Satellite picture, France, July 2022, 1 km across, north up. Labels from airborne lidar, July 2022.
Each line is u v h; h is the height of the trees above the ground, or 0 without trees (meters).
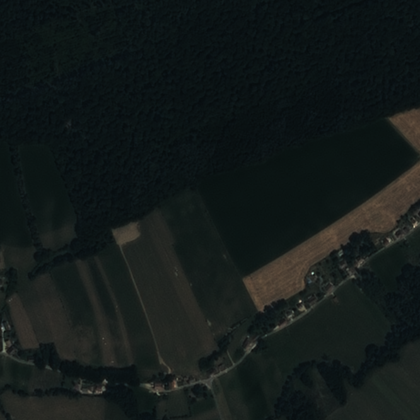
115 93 26
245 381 0
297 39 24
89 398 0
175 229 0
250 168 0
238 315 0
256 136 20
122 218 23
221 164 16
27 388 0
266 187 0
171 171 23
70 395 23
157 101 31
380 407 0
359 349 0
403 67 19
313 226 0
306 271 0
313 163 0
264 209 0
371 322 0
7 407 0
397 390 0
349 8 20
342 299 0
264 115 21
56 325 0
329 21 25
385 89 26
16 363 0
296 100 18
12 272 19
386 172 0
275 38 24
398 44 29
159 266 0
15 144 18
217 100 27
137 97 22
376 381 0
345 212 0
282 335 0
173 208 0
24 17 22
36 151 0
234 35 21
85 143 23
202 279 0
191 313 0
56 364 23
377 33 28
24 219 0
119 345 0
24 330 0
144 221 0
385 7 24
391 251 0
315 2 20
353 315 0
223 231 0
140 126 28
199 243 0
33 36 7
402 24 29
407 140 0
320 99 21
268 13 23
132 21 23
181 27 21
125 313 0
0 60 7
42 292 0
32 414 0
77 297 0
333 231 0
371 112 27
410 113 0
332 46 24
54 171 0
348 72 25
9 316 0
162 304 0
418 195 0
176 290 0
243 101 23
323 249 0
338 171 0
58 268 0
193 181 18
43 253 18
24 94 18
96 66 24
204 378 0
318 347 0
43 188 0
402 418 0
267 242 0
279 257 0
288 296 0
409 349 0
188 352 0
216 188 0
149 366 0
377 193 0
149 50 25
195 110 27
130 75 28
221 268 0
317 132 17
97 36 27
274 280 0
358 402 0
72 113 25
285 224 0
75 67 6
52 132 21
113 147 27
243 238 0
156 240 0
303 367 18
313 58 25
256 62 26
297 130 21
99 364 0
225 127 16
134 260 0
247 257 0
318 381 0
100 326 0
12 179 0
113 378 22
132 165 20
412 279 24
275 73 23
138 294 0
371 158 0
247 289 0
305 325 0
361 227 0
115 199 25
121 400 22
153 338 0
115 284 0
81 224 18
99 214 22
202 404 0
